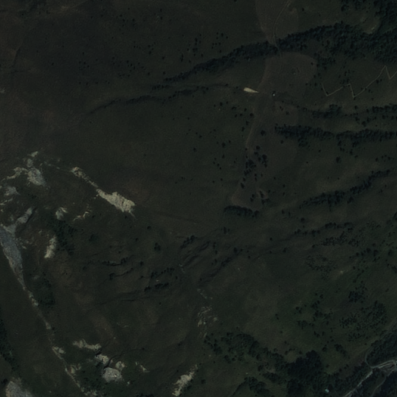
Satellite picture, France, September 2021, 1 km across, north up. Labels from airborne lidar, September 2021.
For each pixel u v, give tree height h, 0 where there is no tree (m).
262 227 0
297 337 0
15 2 0
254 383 11
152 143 0
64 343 0
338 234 0
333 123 0
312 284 0
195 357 0
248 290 0
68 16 0
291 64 0
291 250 0
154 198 0
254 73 0
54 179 0
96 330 0
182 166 0
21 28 0
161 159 0
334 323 0
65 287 0
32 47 0
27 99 0
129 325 0
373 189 0
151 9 0
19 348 0
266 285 0
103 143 0
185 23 0
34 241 0
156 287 9
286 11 0
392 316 0
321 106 0
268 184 0
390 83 0
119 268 0
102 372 0
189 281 0
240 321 0
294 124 0
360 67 0
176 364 0
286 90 0
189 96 0
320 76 8
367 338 7
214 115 0
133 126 0
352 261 0
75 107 0
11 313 0
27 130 0
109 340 0
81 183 0
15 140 0
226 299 0
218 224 0
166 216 0
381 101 0
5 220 0
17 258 0
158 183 0
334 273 0
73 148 0
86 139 0
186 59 0
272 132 0
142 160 0
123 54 0
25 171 0
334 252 0
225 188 0
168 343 0
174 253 0
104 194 0
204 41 0
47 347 0
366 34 8
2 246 0
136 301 0
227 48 0
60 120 0
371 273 0
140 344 0
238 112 0
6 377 0
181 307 0
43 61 0
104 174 0
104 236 0
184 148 0
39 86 0
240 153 0
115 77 0
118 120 0
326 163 0
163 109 0
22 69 0
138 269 0
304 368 31
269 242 0
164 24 0
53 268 0
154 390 0
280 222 0
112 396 0
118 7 0
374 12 0
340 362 0
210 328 0
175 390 0
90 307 0
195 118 0
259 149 9
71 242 0
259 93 0
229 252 0
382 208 0
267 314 0
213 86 0
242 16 0
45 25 0
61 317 0
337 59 0
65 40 0
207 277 0
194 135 0
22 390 0
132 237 0
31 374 0
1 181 0
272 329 0
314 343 0
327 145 0
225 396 0
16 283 0
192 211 0
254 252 0
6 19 0
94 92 0
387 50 9
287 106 0
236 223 0
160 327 0
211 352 0
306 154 0
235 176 0
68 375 0
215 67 11
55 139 0
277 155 0
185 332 0
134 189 0
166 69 0
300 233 14
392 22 18
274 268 0
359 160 0
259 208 0
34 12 0
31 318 0
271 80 0
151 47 7
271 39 0
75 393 0
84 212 0
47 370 0
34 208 0
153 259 0
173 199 0
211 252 0
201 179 0
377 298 0
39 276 0
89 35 0
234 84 0
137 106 0
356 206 0
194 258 0
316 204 7
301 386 11
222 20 0
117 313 0
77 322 0
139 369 0
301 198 0
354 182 0
